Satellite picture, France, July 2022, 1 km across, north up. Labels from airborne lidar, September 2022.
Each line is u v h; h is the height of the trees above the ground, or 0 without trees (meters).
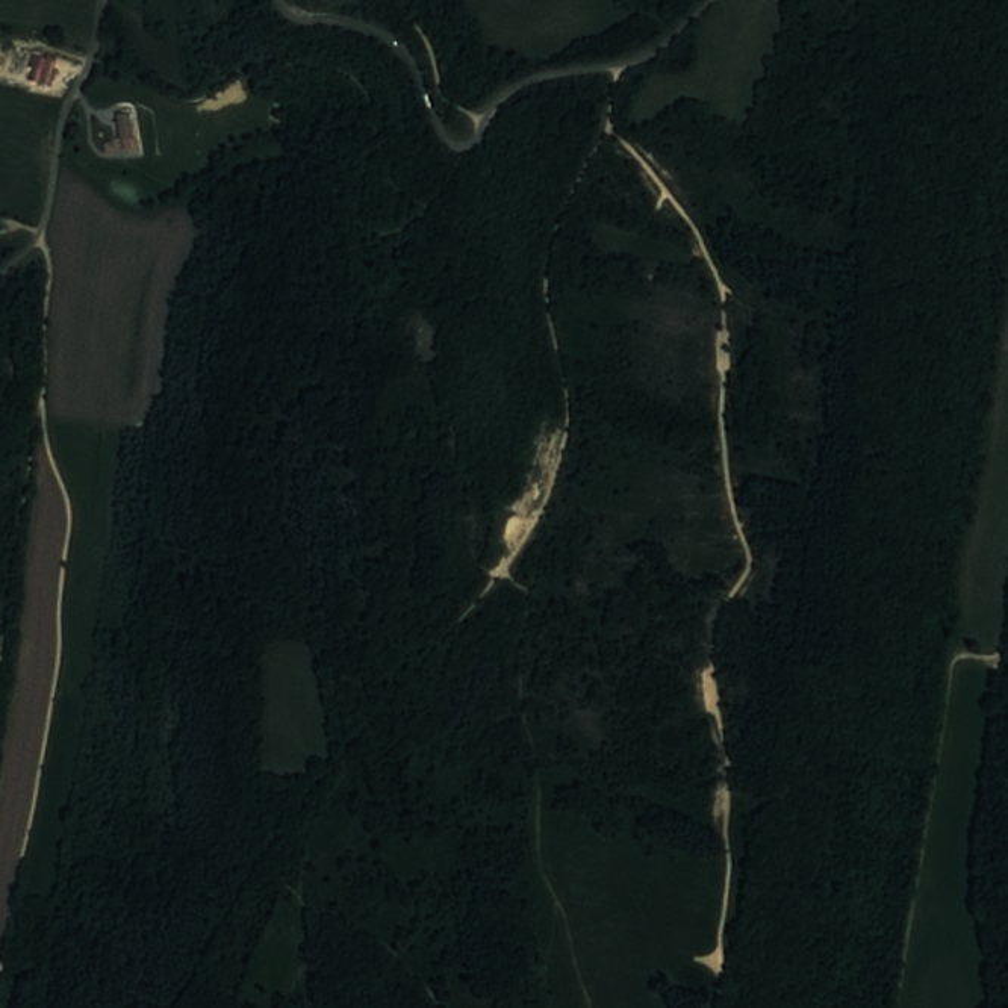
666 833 27
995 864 23
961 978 0
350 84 9
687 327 0
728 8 0
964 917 0
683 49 13
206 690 17
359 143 17
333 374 20
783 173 18
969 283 15
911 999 0
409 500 14
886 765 12
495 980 21
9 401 14
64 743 0
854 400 24
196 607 19
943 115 19
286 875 17
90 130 0
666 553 18
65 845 11
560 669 12
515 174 7
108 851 15
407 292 10
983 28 15
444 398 14
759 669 12
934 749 15
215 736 19
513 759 19
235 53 12
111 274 0
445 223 16
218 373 18
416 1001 21
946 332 17
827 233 0
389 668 16
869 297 19
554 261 13
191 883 20
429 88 14
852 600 19
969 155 18
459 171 19
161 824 12
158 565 16
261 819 15
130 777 10
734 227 12
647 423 7
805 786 19
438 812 21
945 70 18
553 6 0
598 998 0
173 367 18
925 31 14
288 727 0
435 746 8
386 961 20
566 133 14
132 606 7
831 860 14
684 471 7
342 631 18
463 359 9
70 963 15
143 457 13
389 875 17
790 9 18
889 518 20
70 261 0
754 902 19
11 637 14
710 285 14
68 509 0
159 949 19
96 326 0
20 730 0
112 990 18
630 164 11
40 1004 11
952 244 19
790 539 13
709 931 0
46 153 0
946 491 21
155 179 0
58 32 14
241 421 14
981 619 0
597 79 9
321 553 19
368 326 20
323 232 14
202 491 20
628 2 21
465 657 10
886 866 16
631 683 12
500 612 10
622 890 0
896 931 14
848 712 18
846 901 11
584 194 10
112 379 0
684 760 6
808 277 25
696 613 10
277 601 14
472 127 0
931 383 16
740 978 22
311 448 12
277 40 9
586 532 9
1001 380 0
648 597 18
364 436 18
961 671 0
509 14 0
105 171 0
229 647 13
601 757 10
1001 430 0
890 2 9
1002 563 0
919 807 15
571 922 0
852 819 10
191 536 23
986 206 17
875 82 16
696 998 24
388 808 22
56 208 0
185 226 0
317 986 23
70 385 0
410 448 12
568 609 15
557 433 0
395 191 9
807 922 18
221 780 19
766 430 19
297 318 13
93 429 0
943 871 0
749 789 14
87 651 0
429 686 11
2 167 0
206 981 13
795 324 16
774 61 19
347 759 14
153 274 0
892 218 18
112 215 0
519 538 0
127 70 9
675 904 0
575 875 0
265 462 15
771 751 15
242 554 13
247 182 16
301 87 11
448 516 10
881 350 22
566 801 20
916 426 17
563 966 0
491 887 22
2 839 0
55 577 0
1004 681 14
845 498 23
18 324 17
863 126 16
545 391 7
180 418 19
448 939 12
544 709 8
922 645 16
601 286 13
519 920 17
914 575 22
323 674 21
